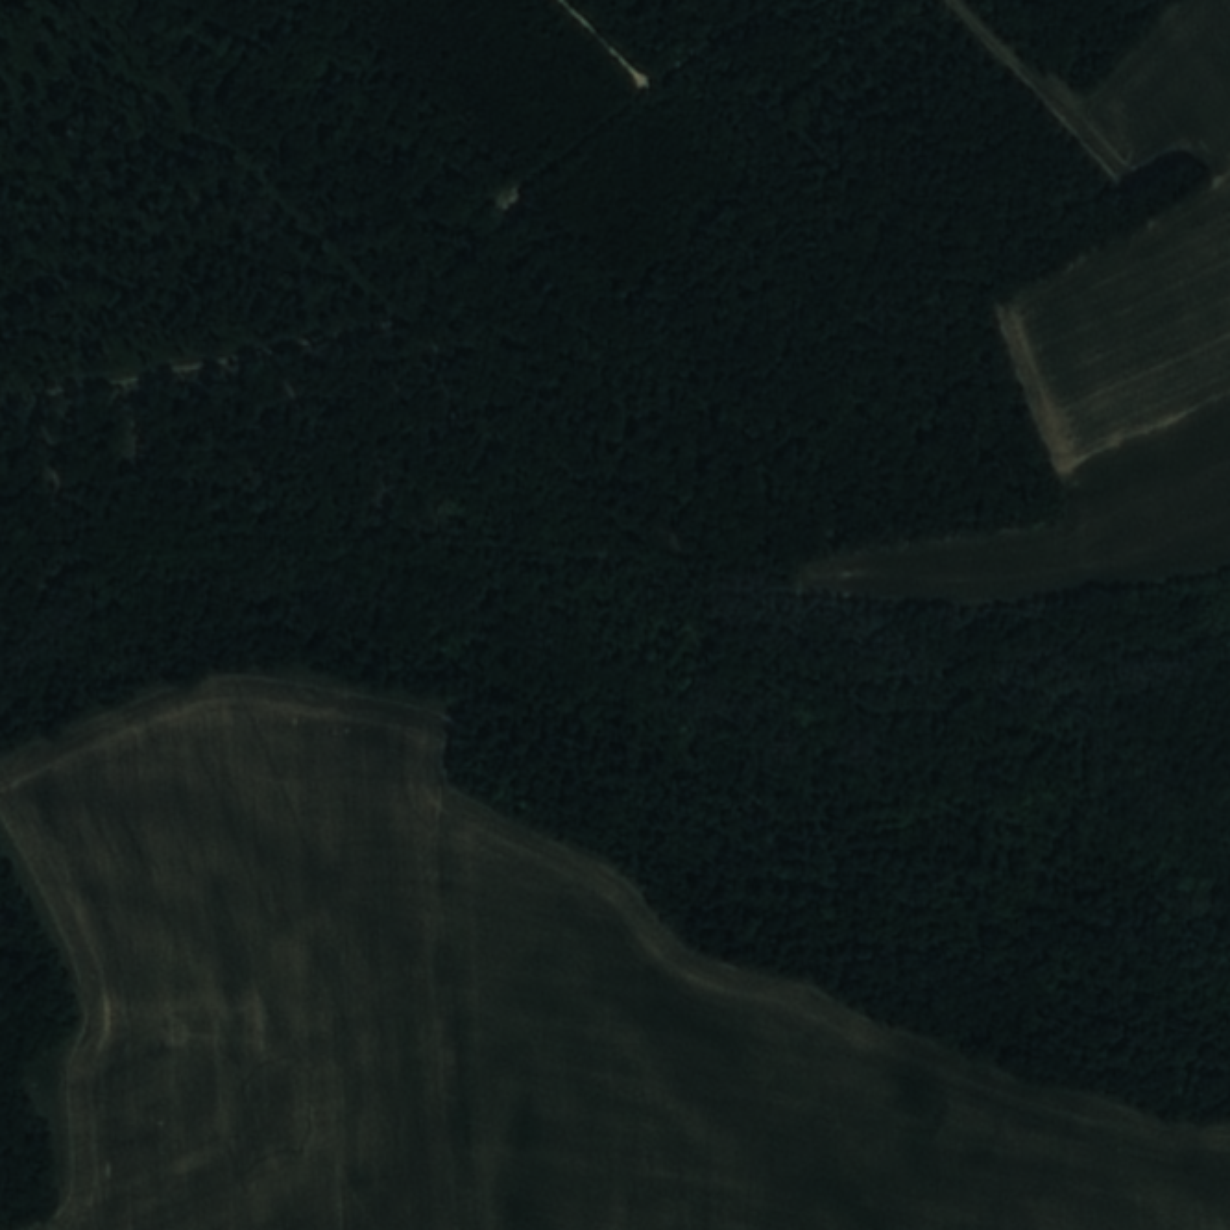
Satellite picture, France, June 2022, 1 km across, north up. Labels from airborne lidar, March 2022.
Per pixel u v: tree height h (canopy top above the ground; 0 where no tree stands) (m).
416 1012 0
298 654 15
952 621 18
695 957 0
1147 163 0
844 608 13
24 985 18
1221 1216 0
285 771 0
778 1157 0
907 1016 22
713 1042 0
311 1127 0
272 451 18
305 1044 0
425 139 26
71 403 24
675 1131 0
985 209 25
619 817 7
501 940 0
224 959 0
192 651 17
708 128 18
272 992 0
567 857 0
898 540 14
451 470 19
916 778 12
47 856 0
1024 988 24
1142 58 0
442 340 17
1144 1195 0
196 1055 0
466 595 23
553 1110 0
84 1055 0
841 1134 0
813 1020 0
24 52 0
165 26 27
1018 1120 0
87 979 0
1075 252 19
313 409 18
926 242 23
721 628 21
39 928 17
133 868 0
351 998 0
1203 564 0
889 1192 0
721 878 21
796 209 22
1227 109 0
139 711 0
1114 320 0
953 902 14
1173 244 0
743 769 18
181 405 26
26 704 22
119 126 24
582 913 0
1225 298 0
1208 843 12
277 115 20
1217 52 0
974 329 23
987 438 23
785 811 23
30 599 18
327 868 0
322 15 23
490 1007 0
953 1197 0
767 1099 0
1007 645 16
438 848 0
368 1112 0
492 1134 0
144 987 0
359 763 0
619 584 18
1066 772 14
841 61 20
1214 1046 18
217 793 0
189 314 23
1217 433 0
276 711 0
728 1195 0
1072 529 0
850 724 17
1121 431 0
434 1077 0
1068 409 0
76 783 0
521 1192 0
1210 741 15
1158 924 19
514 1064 0
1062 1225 0
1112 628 17
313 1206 0
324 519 19
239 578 21
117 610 21
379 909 0
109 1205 0
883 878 18
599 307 25
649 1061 0
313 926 0
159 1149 0
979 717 21
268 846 0
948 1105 0
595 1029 0
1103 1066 14
